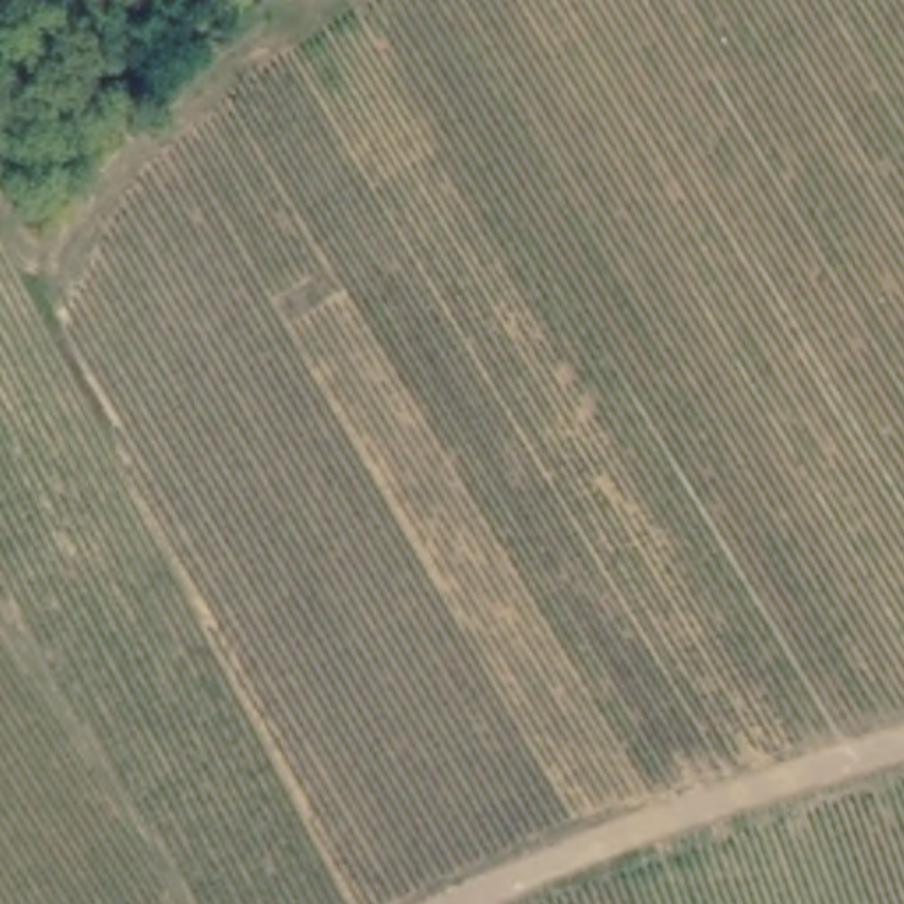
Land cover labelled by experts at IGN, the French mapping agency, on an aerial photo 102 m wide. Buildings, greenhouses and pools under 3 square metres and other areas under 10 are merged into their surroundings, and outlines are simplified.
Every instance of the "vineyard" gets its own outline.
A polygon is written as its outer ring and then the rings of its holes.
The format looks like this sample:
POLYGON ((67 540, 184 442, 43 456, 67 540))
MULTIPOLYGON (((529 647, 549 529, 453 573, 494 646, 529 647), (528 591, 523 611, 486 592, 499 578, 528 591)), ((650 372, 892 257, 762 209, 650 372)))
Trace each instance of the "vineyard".
POLYGON ((177 131, 159 141, 145 138, 131 145, 124 155, 117 155, 109 162, 106 187, 99 191, 99 198, 78 205, 78 222, 60 240, 35 240, 28 233, 28 222, 14 219, 0 205, 0 904, 424 904, 448 886, 463 886, 466 879, 491 872, 505 862, 516 862, 530 851, 554 848, 572 833, 586 833, 653 809, 653 787, 667 787, 674 798, 692 798, 717 784, 735 784, 738 777, 770 773, 777 763, 805 756, 805 749, 833 745, 844 738, 865 738, 872 731, 904 724, 904 0, 293 0, 275 25, 258 28, 240 42, 212 46, 215 67, 194 88, 177 92, 170 102, 177 131))
POLYGON ((664 837, 632 848, 618 858, 579 869, 572 876, 551 879, 509 904, 904 904, 904 763, 855 773, 837 784, 816 784, 784 795, 770 805, 752 805, 735 816, 710 819, 678 837, 664 837))

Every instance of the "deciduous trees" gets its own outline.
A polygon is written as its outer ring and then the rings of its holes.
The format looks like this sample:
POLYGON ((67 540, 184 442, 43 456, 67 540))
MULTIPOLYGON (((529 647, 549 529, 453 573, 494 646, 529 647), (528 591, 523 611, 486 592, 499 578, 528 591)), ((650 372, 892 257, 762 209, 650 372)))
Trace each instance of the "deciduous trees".
POLYGON ((109 162, 117 155, 124 155, 131 145, 145 138, 159 141, 177 131, 170 102, 177 92, 194 88, 215 67, 212 46, 240 42, 258 28, 275 25, 293 0, 0 0, 0 205, 14 219, 28 222, 28 233, 35 240, 60 240, 78 222, 78 205, 99 198, 99 191, 106 187, 109 162))

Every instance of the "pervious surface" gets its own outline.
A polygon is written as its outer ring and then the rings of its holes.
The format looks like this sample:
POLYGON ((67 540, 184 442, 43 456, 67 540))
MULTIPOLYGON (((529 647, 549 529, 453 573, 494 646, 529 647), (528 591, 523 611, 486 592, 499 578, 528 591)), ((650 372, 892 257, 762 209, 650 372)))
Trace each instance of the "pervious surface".
POLYGON ((618 858, 632 848, 664 837, 678 837, 710 819, 735 816, 752 805, 770 805, 784 795, 816 784, 837 784, 855 773, 904 763, 904 724, 872 731, 865 738, 844 738, 833 745, 805 749, 805 756, 777 763, 770 773, 738 777, 735 784, 717 784, 692 798, 674 798, 667 787, 653 787, 653 809, 586 833, 572 833, 554 848, 530 851, 516 862, 505 862, 491 872, 466 879, 463 886, 448 886, 424 904, 509 904, 551 879, 572 876, 579 869, 618 858))

